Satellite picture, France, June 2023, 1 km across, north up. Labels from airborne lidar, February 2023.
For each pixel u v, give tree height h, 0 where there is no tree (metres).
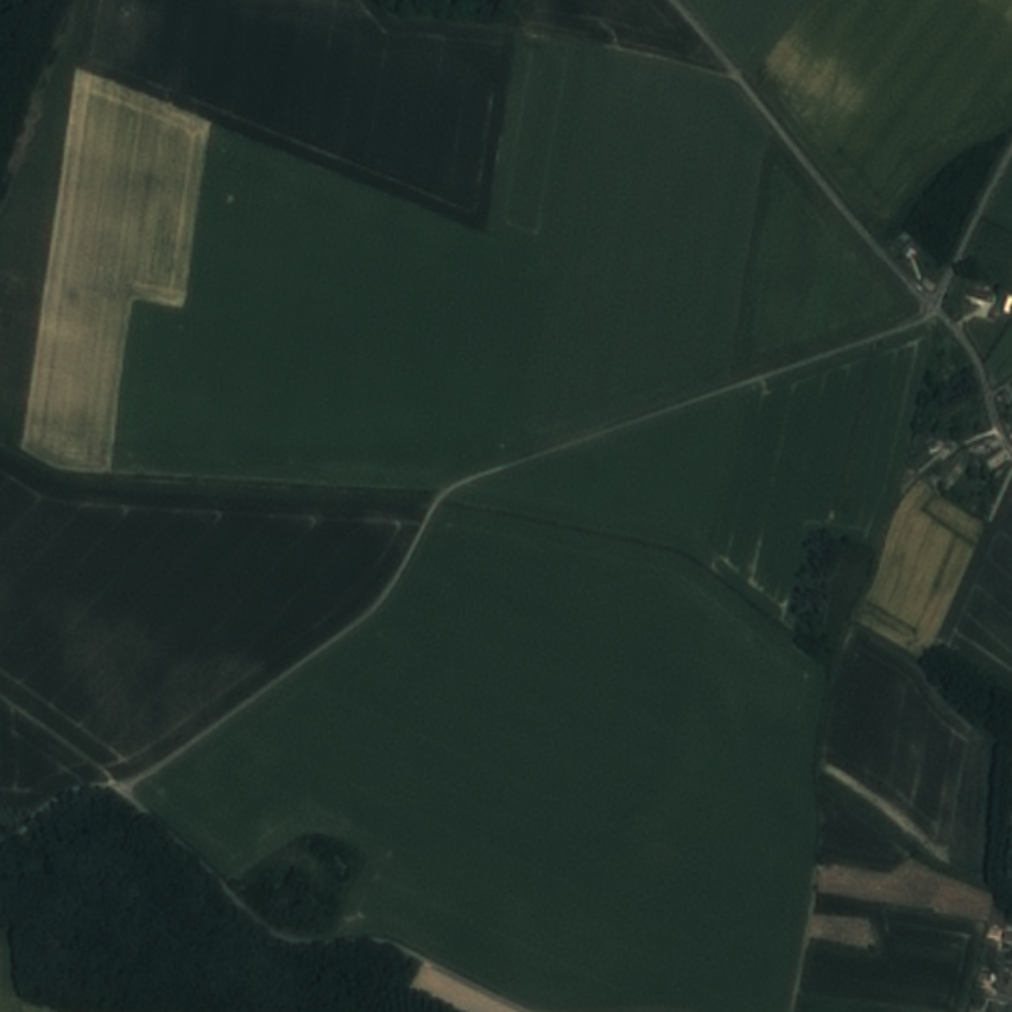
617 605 0
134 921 21
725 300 0
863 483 0
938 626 0
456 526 0
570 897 0
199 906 25
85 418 0
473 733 0
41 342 0
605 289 0
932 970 0
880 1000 0
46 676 0
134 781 0
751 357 0
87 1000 24
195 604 0
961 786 0
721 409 0
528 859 0
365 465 0
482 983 0
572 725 0
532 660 0
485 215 0
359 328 0
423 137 0
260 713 0
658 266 0
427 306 0
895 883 0
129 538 0
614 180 0
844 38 0
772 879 0
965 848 0
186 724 0
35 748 0
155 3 0
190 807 0
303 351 0
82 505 0
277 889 6
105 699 0
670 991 0
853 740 0
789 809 0
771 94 0
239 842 0
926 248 7
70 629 0
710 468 0
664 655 0
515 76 0
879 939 0
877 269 0
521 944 0
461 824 0
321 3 0
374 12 0
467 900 0
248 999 26
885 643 0
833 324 0
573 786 0
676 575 0
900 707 0
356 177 0
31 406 0
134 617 0
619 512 0
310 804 0
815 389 0
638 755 0
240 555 0
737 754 0
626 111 0
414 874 0
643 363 0
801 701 0
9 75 20
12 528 0
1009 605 0
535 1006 0
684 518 0
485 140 0
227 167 0
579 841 0
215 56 0
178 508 0
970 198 5
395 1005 25
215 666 0
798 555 0
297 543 0
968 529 0
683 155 0
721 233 0
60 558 0
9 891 25
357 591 0
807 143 0
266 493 0
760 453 0
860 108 0
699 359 0
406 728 0
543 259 0
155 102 0
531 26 0
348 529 0
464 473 0
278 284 0
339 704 0
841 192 0
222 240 0
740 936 0
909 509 0
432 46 0
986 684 20
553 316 0
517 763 0
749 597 0
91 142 0
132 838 24
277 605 0
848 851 0
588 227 0
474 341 0
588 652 0
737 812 0
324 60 0
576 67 0
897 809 0
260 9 0
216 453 0
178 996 25
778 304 0
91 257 0
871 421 0
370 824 0
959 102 0
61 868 27
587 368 0
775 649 0
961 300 0
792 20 0
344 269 0
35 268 0
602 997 0
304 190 0
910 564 0
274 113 0
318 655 0
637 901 0
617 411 0
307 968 21
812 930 0
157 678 0
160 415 0
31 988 22
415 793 0
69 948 17
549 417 0
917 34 0
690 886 0
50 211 0
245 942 25
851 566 0
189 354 0
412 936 0
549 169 0
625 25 0
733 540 0
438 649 0
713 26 0
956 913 0
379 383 0
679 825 0
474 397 0
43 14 19
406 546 0
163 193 0
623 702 0
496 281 0
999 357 0
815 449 0
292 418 0
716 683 0
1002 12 0
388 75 0
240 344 0
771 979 0
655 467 0
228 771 0
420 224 0
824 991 0
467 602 0
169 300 0
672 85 0
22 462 0
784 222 0
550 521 0
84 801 18
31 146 0
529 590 0
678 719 0
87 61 0
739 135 0
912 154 0
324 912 7
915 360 0
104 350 0
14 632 0
